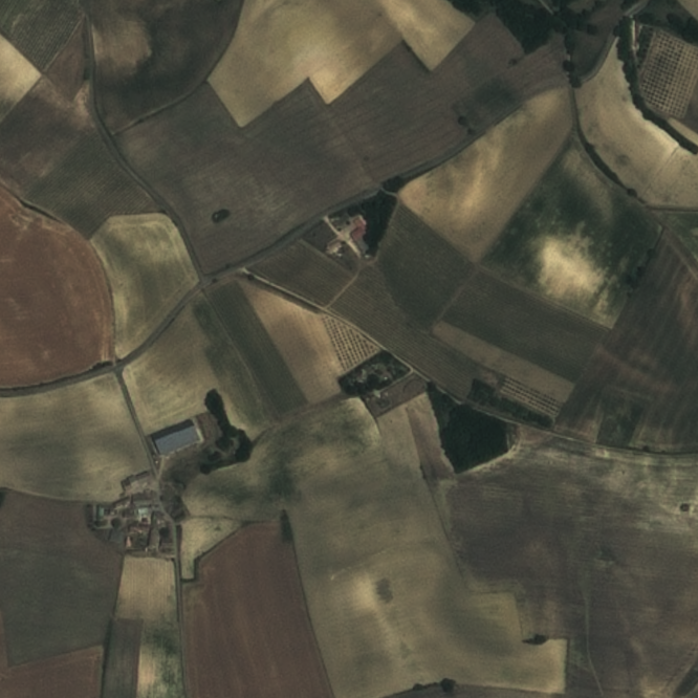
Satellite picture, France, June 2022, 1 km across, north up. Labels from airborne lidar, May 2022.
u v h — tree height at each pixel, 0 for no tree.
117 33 0
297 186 0
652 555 0
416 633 0
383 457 0
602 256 0
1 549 0
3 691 0
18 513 0
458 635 0
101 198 0
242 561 0
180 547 0
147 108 0
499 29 0
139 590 0
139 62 0
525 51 7
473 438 10
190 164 0
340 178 0
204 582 0
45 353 0
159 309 0
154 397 0
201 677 0
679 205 0
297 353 0
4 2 0
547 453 0
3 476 0
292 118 0
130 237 0
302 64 0
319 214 0
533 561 0
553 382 0
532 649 0
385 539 0
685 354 0
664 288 0
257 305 0
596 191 0
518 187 0
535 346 0
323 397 0
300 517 0
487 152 0
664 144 0
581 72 0
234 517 0
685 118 0
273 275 0
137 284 0
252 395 0
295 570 0
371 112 0
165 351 0
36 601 0
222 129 0
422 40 0
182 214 0
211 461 8
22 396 0
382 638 0
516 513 0
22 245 0
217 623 0
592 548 0
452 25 0
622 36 10
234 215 0
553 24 15
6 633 0
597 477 0
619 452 0
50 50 0
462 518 0
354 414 0
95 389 0
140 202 0
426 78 0
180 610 0
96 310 0
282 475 0
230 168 0
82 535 0
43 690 0
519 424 0
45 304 0
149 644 0
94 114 0
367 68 0
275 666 0
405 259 0
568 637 0
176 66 0
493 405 9
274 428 0
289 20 0
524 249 0
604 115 0
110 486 0
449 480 0
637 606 0
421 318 0
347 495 0
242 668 0
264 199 0
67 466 0
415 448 0
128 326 0
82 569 0
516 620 0
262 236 0
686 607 0
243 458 16
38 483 0
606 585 0
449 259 0
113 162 0
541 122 0
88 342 0
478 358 0
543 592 0
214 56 0
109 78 0
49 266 0
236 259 0
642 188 0
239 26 0
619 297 0
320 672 0
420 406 0
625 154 0
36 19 0
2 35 0
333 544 0
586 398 0
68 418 0
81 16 0
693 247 0
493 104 0
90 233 0
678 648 0
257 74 0
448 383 0
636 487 0
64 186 0
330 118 0
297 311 0
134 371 0
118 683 0
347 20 0
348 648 0
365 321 0
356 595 0
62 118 0
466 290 0
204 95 0
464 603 0
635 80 12
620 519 0
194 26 0
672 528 0
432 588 0
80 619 0
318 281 0
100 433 0
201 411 0
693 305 0
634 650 0
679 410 0
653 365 0
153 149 0
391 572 0
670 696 0
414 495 0
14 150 0
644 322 0
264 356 0
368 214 11
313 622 0
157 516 0
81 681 0
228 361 0
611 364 0
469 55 0
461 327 0
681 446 0
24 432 0
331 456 0
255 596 0
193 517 0
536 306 0
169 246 0
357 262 0
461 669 0
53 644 0
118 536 0
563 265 0
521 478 0
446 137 0
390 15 0
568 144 0
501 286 0
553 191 0
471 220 0
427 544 0
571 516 0
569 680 0
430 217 0
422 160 0
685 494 0
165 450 0
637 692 0
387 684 0
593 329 0
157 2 0
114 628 0
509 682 0
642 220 0
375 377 9
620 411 0
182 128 0
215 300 0
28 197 0
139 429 0
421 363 0
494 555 0
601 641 0
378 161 0
